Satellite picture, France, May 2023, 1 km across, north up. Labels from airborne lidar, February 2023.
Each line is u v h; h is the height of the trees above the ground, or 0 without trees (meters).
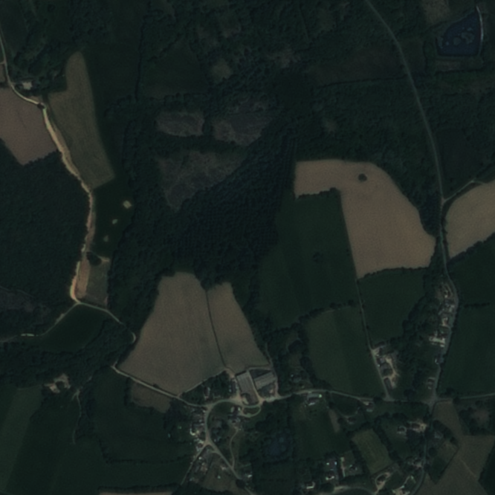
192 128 0
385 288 0
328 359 0
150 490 8
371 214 0
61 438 0
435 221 35
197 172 0
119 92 0
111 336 12
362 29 8
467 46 0
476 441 0
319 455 0
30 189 13
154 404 0
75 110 0
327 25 0
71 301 14
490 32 0
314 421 0
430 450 8
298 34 10
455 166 0
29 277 14
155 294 13
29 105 0
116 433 0
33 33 16
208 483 0
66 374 9
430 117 11
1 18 0
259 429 14
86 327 0
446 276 8
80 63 0
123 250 20
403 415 12
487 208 0
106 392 0
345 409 0
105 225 0
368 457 0
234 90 18
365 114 9
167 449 0
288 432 7
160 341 0
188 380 0
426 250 0
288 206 0
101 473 0
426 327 14
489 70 12
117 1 0
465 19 0
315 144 7
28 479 0
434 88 9
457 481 0
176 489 8
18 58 12
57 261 18
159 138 12
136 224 17
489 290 0
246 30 20
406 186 17
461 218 0
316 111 16
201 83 0
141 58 12
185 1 9
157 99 6
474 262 0
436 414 0
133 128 17
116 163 0
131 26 0
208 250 24
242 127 0
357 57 0
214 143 11
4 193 15
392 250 0
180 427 0
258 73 16
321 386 10
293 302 0
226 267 19
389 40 9
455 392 9
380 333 0
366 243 0
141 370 0
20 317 7
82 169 0
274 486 0
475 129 8
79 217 15
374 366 0
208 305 0
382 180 0
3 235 10
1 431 0
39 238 14
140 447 0
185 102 7
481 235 0
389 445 20
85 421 8
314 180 0
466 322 0
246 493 0
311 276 0
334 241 0
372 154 21
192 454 0
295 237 0
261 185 14
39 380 15
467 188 0
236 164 0
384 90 10
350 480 12
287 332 13
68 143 0
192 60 0
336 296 0
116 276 13
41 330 9
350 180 0
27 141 0
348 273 0
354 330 0
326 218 0
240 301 10
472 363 0
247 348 0
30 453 0
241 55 9
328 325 0
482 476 8
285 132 15
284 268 0
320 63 9
